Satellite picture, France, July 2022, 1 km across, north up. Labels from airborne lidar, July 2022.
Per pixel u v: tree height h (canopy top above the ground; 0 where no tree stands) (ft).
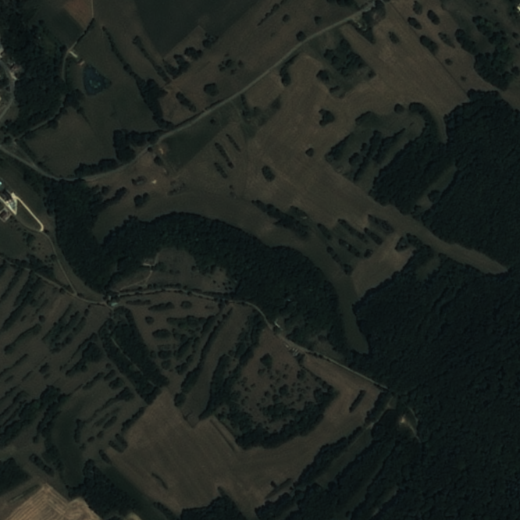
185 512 43
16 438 28
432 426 73
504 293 61
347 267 45
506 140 52
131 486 0
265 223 0
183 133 0
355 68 19
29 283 26
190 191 0
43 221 0
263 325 47
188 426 0
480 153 52
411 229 0
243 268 45
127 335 41
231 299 42
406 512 69
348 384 0
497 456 59
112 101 0
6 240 0
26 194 0
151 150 40
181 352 37
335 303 64
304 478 50
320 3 0
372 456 60
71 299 0
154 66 39
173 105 0
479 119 52
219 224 56
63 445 0
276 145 0
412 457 19
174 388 0
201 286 0
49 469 42
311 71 0
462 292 54
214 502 26
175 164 0
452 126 54
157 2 0
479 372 68
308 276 56
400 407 22
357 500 0
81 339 0
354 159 39
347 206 0
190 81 0
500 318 84
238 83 0
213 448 0
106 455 34
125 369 38
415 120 0
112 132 0
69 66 28
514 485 74
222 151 31
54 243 0
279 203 0
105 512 31
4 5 51
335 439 0
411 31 0
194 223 51
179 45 0
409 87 0
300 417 30
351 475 54
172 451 0
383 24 0
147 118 0
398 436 18
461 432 63
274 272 58
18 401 41
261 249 52
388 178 55
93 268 62
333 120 19
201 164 0
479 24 39
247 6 0
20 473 22
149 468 0
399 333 72
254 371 0
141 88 62
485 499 73
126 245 45
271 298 34
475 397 72
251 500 0
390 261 0
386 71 0
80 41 26
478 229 62
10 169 0
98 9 0
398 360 29
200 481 0
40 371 23
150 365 38
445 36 27
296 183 0
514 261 56
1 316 0
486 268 0
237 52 0
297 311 30
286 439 35
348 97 0
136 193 0
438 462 76
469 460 66
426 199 0
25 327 0
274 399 23
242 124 0
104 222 0
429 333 36
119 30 0
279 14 0
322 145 0
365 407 0
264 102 0
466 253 0
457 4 0
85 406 0
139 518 0
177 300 0
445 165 52
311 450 0
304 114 0
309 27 0
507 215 58
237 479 0
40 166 27
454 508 64
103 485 40
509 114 67
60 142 0
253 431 25
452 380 70
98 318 0
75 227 68
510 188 62
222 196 0
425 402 46
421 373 50
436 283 64
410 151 52
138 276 0
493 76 45
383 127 0
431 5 0
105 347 32
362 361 72
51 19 0
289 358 0
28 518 0
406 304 77
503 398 60
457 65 0
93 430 0
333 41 0
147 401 31
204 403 0
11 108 0
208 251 54
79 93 47
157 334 34
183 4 0
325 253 0
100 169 31
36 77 50
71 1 0
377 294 71
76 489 33
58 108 31
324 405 47
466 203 52
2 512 0
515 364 90
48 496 0
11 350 47
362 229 0
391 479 37
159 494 0
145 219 0
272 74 0
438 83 0
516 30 0
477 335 80
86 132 0
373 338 68
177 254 0
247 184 0
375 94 0
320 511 68
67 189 70
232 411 35
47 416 42
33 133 45
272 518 62
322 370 0
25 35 21
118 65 0
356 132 0
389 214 0
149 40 0
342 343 79
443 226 64
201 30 0
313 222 0
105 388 0
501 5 0
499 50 53
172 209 0
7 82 37
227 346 0
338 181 0
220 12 0
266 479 0
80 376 0
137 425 0
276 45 0
